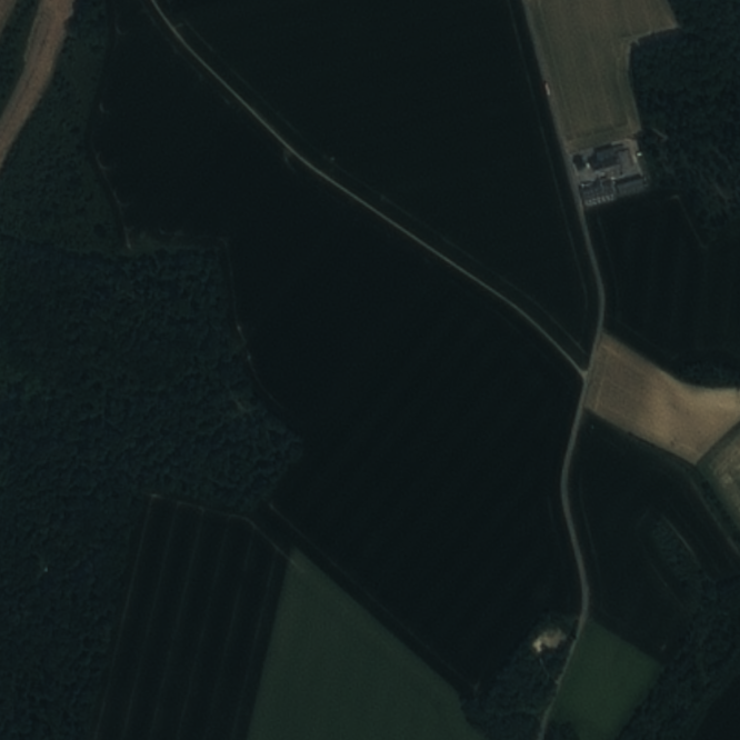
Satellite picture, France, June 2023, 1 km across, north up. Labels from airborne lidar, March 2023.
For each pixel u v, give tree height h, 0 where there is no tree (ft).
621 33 0
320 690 0
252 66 0
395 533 0
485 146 0
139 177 0
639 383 0
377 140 0
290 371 0
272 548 0
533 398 0
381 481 0
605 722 0
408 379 0
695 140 98
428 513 0
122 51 0
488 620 0
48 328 88
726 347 0
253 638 0
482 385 0
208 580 0
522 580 0
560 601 0
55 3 0
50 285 78
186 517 0
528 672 50
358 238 0
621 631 0
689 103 92
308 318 0
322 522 0
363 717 0
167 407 71
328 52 0
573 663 0
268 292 0
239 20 0
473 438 0
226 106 0
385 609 0
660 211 0
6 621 73
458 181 0
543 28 0
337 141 0
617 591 0
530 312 0
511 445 0
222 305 49
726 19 88
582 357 0
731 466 0
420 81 0
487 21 0
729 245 0
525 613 0
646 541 0
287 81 0
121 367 67
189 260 65
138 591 0
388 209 0
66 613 51
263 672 0
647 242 0
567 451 0
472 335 0
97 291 83
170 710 0
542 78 0
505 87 0
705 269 0
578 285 0
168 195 0
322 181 0
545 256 0
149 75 0
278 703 0
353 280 0
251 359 0
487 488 0
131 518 61
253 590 0
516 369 0
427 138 0
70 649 74
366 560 0
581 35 0
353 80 0
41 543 73
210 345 85
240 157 0
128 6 0
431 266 0
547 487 0
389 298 0
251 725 0
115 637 0
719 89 20
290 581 0
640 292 0
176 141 0
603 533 0
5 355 45
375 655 0
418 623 0
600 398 0
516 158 0
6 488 44
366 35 0
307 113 0
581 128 0
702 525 0
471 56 0
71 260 77
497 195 0
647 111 85
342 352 0
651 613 0
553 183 0
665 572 0
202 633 0
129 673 0
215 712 0
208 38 0
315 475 0
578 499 0
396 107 0
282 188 0
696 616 19
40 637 80
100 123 0
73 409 83
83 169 0
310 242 0
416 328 0
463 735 0
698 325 0
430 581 0
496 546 0
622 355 0
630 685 0
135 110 0
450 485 0
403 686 0
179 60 0
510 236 0
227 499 60
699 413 0
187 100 0
